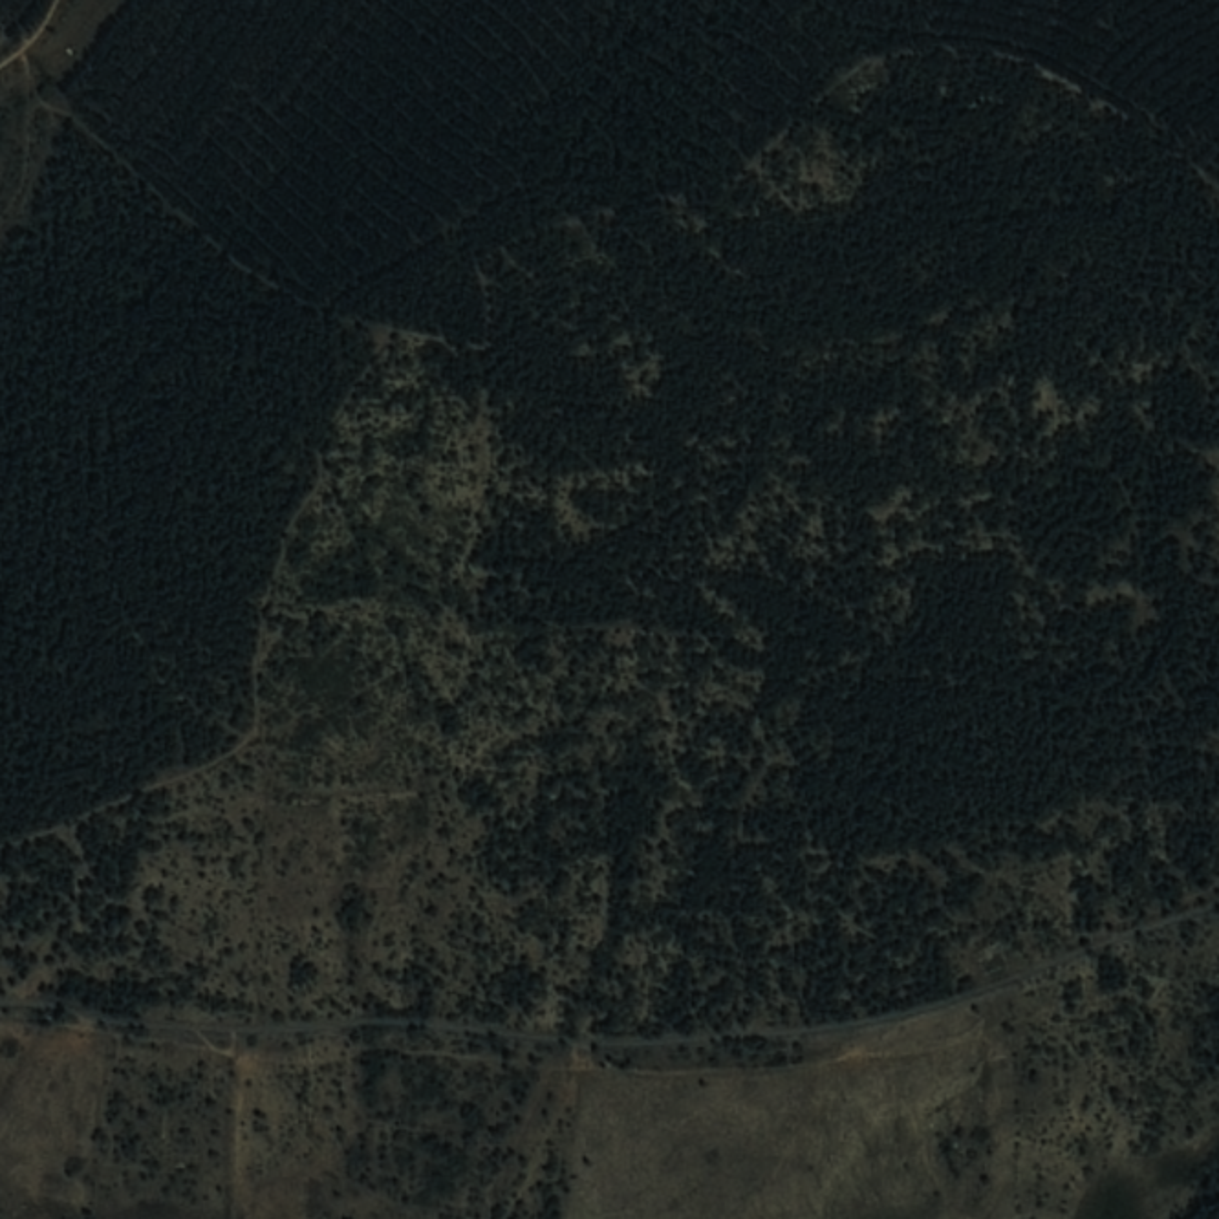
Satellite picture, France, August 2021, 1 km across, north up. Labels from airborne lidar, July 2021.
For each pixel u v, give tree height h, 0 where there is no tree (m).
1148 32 12
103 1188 0
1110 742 10
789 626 10
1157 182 9
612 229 8
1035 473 9
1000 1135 0
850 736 13
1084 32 15
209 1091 0
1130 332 16
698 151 13
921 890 10
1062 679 9
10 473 12
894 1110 0
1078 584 7
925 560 9
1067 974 0
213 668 8
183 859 0
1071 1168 0
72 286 14
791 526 10
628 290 8
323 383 9
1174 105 14
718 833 9
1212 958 0
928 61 9
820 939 11
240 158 14
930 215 14
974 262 11
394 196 13
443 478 0
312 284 12
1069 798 7
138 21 11
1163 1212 0
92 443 10
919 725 10
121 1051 0
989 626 8
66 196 12
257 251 14
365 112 14
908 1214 0
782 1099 0
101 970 0
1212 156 11
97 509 9
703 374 8
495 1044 8
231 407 14
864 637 8
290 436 9
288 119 13
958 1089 0
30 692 9
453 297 8
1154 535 12
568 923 7
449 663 0
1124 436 10
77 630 7
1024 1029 0
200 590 11
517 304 6
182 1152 0
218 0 12
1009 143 12
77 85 10
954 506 7
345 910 7
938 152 10
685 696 9
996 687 12
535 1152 0
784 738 5
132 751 8
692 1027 7
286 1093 0
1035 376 7
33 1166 0
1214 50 14
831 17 9
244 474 10
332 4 12
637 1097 0
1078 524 6
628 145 15
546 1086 0
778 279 9
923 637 9
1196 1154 0
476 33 12
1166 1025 0
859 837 9
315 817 0
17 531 10
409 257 10
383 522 0
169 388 11
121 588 9
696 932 8
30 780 12
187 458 14
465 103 13
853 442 9
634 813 13
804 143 6
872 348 8
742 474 10
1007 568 7
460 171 12
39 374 12
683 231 6
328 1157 0
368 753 0
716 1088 0
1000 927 6
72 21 0
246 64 14
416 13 12
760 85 8
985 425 6
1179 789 9
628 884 7
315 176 13
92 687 8
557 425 8
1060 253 9
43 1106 0
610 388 11
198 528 13
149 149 14
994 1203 0
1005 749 13
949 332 7
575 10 14
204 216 12
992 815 11
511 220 11
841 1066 0
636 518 9
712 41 12
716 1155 0
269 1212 0
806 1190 0
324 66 13
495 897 0
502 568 11
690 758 8
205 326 13
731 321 12
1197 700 11
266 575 9
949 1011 0
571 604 7
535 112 12
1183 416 11
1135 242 12
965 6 13
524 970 9
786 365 8
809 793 10
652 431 9
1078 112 8
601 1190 0
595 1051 8
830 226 9
